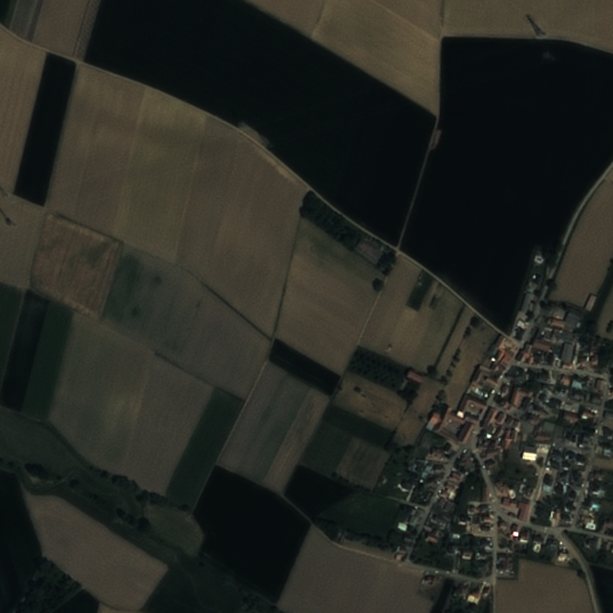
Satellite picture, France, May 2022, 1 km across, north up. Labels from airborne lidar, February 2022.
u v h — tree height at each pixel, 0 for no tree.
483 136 0
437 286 0
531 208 0
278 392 0
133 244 0
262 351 0
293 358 0
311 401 0
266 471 0
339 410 0
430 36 0
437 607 0
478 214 0
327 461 0
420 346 0
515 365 0
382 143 0
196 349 0
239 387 0
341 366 0
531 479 0
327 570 0
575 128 0
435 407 6
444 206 0
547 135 0
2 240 0
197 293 0
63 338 0
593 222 0
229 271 0
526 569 0
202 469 0
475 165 0
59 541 0
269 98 0
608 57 0
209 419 0
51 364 0
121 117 0
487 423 0
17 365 0
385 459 0
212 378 0
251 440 0
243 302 0
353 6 0
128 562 0
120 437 0
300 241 0
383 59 0
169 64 0
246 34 0
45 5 0
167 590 0
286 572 0
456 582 0
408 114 0
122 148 0
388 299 0
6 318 0
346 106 0
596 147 0
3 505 0
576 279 0
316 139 0
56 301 0
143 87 0
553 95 0
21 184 0
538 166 0
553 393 0
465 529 0
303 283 0
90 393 0
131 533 0
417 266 0
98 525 0
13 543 0
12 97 0
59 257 0
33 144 0
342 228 12
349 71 0
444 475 0
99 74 0
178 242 0
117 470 0
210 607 0
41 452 0
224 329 0
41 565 22
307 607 0
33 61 0
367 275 0
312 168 0
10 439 0
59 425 0
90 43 0
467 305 0
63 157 0
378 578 0
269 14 0
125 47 0
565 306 14
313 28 0
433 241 0
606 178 0
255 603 6
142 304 0
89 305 0
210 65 0
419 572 0
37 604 18
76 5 0
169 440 0
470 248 0
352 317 0
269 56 0
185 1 0
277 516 0
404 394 9
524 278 0
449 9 0
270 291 0
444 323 0
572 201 0
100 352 0
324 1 0
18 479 0
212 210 0
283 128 0
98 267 0
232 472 0
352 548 0
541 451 0
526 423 0
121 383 0
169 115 0
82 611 0
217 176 0
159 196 0
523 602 0
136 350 0
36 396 0
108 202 0
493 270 0
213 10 0
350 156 0
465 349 0
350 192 0
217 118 0
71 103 0
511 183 0
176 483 0
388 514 0
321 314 0
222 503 0
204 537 0
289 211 0
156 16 0
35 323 0
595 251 0
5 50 0
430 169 0
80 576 0
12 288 0
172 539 0
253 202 0
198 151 0
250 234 0
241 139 0
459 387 0
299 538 0
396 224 0
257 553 0
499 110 0
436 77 0
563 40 0
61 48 0
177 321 0
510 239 0
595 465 0
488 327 0
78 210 0
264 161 0
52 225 0
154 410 0
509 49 0
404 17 0
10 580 0
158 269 0
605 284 0
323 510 0
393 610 0
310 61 0
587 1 0
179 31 0
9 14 0
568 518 10
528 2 0
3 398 0
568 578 0
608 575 0
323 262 0
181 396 0
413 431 0
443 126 0
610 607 0
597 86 0
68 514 0
